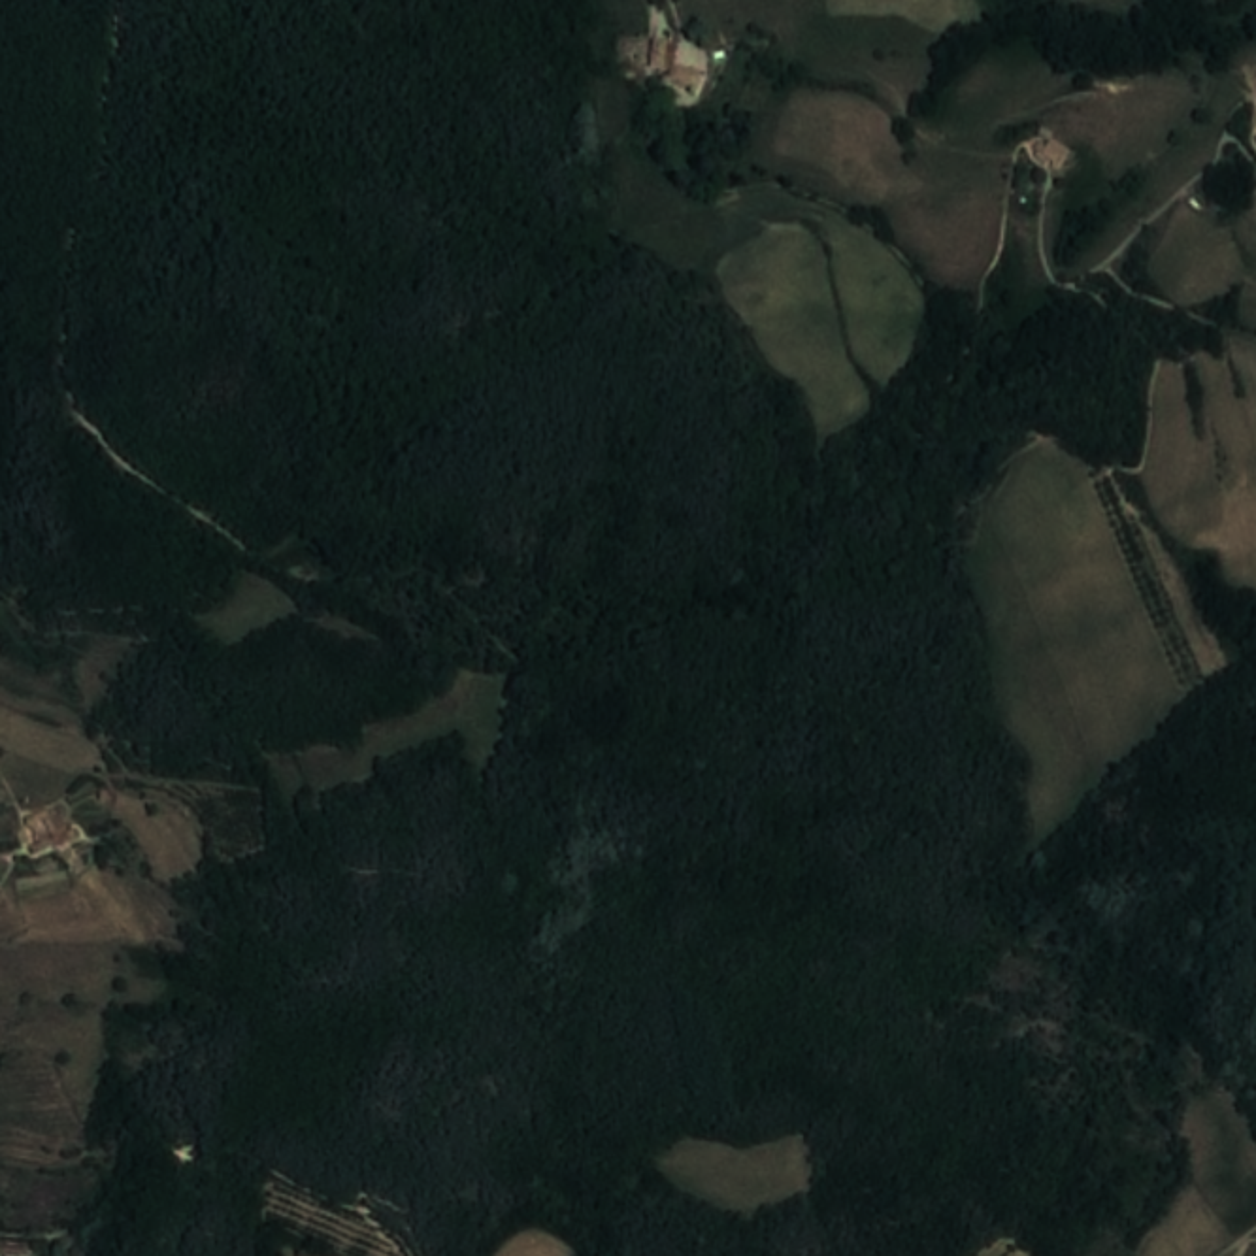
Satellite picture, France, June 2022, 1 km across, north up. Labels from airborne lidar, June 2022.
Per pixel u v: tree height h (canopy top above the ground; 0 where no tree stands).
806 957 12
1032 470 0
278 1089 12
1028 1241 13
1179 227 0
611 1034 14
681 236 0
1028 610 0
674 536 25
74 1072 0
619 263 9
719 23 0
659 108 22
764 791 19
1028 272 0
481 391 25
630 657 23
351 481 21
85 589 8
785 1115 15
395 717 12
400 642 7
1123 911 17
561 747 16
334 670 7
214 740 14
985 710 12
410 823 12
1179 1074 30
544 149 17
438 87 10
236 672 10
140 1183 25
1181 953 8
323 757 0
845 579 16
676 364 19
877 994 9
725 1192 0
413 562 21
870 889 19
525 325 23
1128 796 18
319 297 22
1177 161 0
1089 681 0
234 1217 16
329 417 22
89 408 15
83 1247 12
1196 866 23
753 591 14
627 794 13
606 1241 11
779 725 18
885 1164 9
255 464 18
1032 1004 12
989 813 12
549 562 16
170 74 14
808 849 18
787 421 16
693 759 23
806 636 23
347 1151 14
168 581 12
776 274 0
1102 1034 18
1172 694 0
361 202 20
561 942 13
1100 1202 11
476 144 14
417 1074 10
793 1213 13
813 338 0
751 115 12
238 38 20
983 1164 14
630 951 16
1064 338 15
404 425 19
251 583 0
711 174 36
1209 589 13
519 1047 14
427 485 23
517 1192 16
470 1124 14
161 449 16
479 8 23
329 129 21
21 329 19
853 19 0
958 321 13
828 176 0
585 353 18
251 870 7
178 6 8
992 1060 10
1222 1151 0
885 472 12
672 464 17
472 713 0
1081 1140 16
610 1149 17
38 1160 0
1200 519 0
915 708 19
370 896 9
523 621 19
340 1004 12
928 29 0
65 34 20
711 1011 18
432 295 20
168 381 14
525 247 20
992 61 0
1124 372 12
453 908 10
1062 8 25
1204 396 9
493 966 15
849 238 0
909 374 14
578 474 22
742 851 9
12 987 0
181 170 19
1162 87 0
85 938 0
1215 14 8
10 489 7
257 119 7
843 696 22
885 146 0
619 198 0
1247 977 27
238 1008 12
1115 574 0
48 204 17
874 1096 12
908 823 19
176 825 0
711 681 20
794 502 12
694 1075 23
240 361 17
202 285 18
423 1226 9
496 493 17
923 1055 10
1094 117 0
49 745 0
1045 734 0
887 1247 14
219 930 12
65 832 0
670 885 12
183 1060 17
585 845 16
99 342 14
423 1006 9
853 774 16
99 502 10
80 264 13
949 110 0
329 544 19
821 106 0
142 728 14
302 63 18
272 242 16
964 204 0
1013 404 13
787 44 0
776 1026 13
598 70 12
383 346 28
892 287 0
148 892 0
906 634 18
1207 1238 0
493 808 17
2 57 18
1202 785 22
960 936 21
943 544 12
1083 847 18
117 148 19
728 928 10
